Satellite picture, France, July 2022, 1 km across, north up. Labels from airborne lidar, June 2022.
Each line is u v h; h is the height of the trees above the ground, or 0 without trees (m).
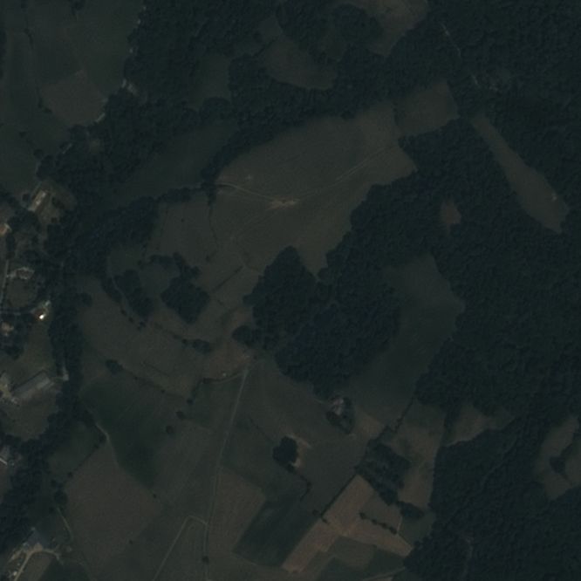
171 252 0
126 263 0
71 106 0
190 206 0
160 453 0
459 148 22
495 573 18
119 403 0
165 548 0
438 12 15
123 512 0
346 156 0
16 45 0
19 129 0
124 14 0
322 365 31
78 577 0
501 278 22
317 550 0
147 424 0
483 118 0
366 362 13
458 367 23
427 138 17
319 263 0
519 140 20
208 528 0
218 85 0
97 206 6
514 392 25
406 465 17
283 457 19
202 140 0
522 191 0
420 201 28
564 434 0
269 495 0
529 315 21
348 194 0
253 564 0
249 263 0
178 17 20
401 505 11
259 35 17
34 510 0
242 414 0
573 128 23
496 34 31
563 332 32
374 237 28
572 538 23
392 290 21
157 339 0
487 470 28
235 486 0
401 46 21
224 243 0
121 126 28
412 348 0
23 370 0
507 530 19
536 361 31
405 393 0
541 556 15
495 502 18
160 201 9
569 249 26
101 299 0
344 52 0
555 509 20
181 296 27
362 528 0
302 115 18
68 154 12
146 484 0
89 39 0
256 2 19
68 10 0
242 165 0
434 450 0
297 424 0
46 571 0
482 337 25
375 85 29
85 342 9
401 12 0
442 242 29
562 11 11
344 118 15
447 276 18
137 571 0
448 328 0
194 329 0
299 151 0
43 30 0
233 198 0
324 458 0
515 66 18
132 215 21
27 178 0
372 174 0
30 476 24
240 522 0
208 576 0
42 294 19
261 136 21
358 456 0
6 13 0
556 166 14
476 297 17
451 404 20
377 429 0
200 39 21
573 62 27
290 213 0
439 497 20
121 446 0
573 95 20
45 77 0
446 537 25
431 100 0
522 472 21
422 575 19
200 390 0
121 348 0
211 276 0
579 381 26
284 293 26
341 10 16
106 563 0
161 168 0
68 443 0
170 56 23
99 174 20
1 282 0
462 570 14
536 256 21
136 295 20
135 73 25
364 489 0
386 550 0
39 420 0
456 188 28
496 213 22
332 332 25
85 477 0
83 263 26
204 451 0
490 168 21
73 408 22
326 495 0
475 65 25
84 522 0
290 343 0
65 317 27
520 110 15
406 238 33
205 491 0
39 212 0
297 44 17
